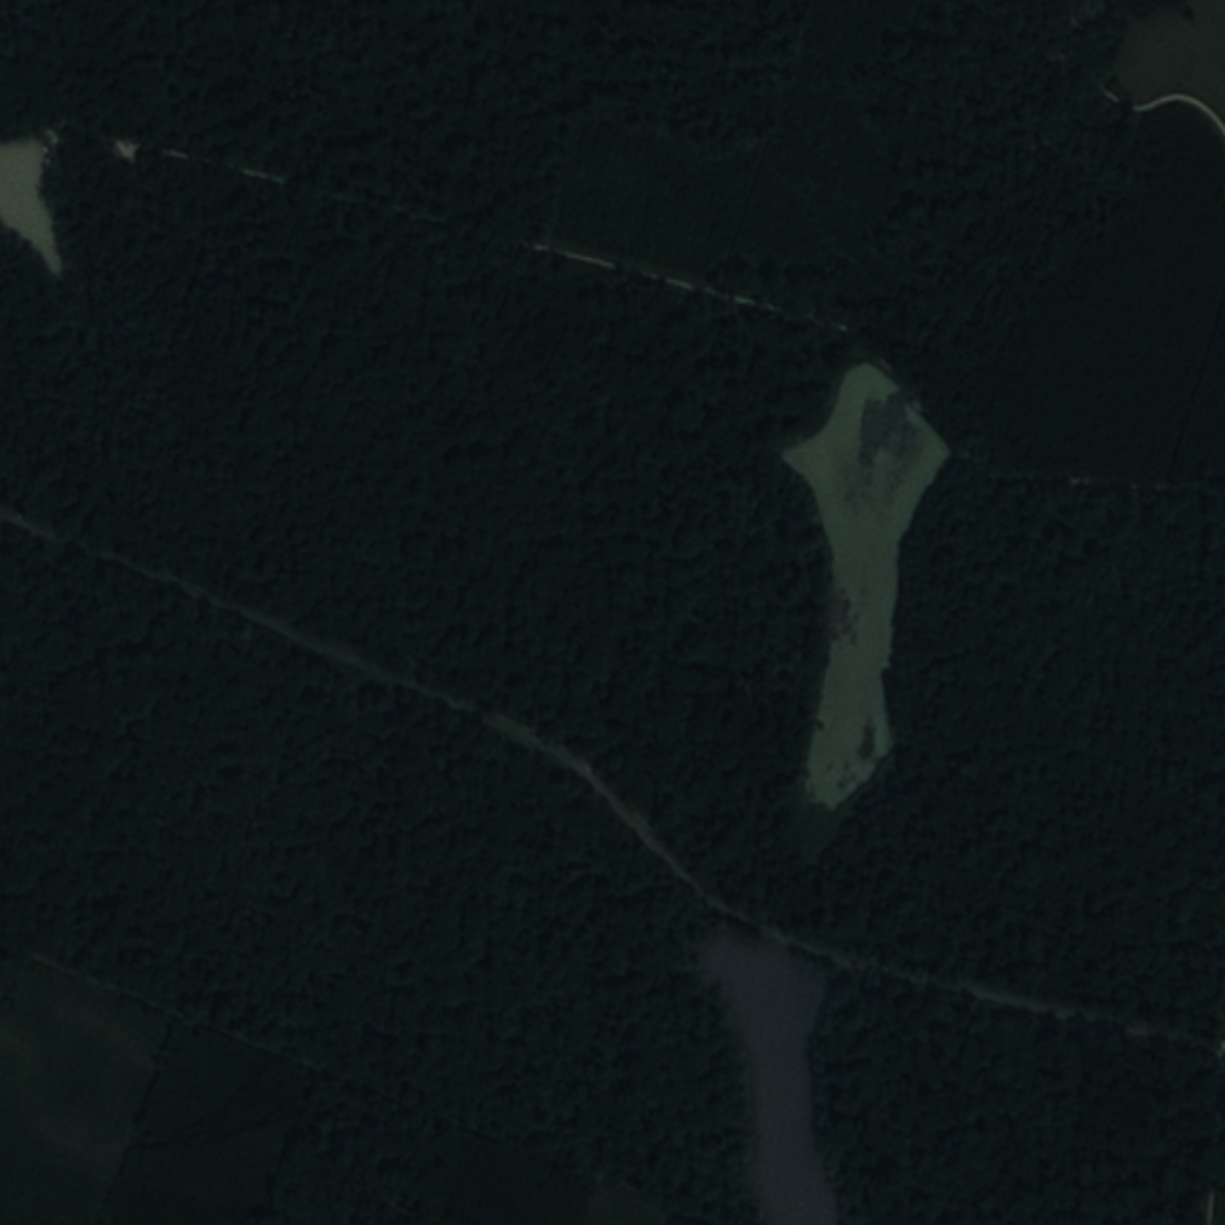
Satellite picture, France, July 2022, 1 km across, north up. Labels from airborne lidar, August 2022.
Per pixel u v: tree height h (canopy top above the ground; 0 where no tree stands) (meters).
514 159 20
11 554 19
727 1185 22
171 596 18
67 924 24
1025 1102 19
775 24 18
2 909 24
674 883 19
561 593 21
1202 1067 6
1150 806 10
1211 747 16
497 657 25
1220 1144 23
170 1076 13
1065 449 9
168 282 14
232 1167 15
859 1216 20
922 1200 25
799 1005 0
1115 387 10
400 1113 21
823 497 0
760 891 23
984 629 14
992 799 13
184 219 19
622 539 16
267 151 6
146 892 16
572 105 23
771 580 19
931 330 16
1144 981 17
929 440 0
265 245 22
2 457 19
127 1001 7
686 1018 17
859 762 0
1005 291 17
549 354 23
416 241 20
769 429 19
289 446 13
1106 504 18
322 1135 28
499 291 22
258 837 21
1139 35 0
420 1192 20
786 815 17
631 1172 8
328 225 17
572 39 25
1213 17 0
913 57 23
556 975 19
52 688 22
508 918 24
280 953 23
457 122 11
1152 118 8
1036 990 18
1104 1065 29
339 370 18
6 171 0
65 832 23
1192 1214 21
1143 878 10
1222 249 10
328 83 19
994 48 21
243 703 22
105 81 17
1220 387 11
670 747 20
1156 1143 26
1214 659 18
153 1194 5
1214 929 12
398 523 13
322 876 24
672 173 6
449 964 23
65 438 18
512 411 21
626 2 27
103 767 26
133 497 26
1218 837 19
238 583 15
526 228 11
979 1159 25
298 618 20
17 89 19
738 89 19
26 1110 0
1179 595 17
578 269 10
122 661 19
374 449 18
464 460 23
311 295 19
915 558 18
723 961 0
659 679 14
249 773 21
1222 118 0
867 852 12
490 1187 7
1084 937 25
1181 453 11
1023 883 11
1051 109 26
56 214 11
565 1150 10
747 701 27
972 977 7
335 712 19
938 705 23
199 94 21
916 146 11
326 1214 19
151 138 13
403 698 13
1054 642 19
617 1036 19
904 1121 24
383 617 21
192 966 10
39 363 21
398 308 21
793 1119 0
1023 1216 18
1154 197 10
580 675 23
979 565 19
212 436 20
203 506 21
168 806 21
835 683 0
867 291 7
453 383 25
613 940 23
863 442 0
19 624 23
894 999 21
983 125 23
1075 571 20
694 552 16
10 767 24
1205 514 17
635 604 18
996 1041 20
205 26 12
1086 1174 21
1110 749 18
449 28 10
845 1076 21
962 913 10
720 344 11
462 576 19
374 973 19
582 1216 7
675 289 7
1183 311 10
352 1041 24
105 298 20
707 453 18
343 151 23
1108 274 9
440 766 17
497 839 24
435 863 24
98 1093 0
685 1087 22
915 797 25
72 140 13
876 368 0
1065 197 13
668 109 8
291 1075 9
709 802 7
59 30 17
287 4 21
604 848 21
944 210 22
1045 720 15
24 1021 0
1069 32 23
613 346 24
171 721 21
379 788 21
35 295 14
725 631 21
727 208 6
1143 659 23
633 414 25
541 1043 13
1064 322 10
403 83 9
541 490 19
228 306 16
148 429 23
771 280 25
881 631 0
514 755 20
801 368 23
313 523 19
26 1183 0
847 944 12
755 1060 0
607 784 15
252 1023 21
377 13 11
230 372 17
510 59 18
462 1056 20
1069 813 17
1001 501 19
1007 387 11
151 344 17
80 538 25
